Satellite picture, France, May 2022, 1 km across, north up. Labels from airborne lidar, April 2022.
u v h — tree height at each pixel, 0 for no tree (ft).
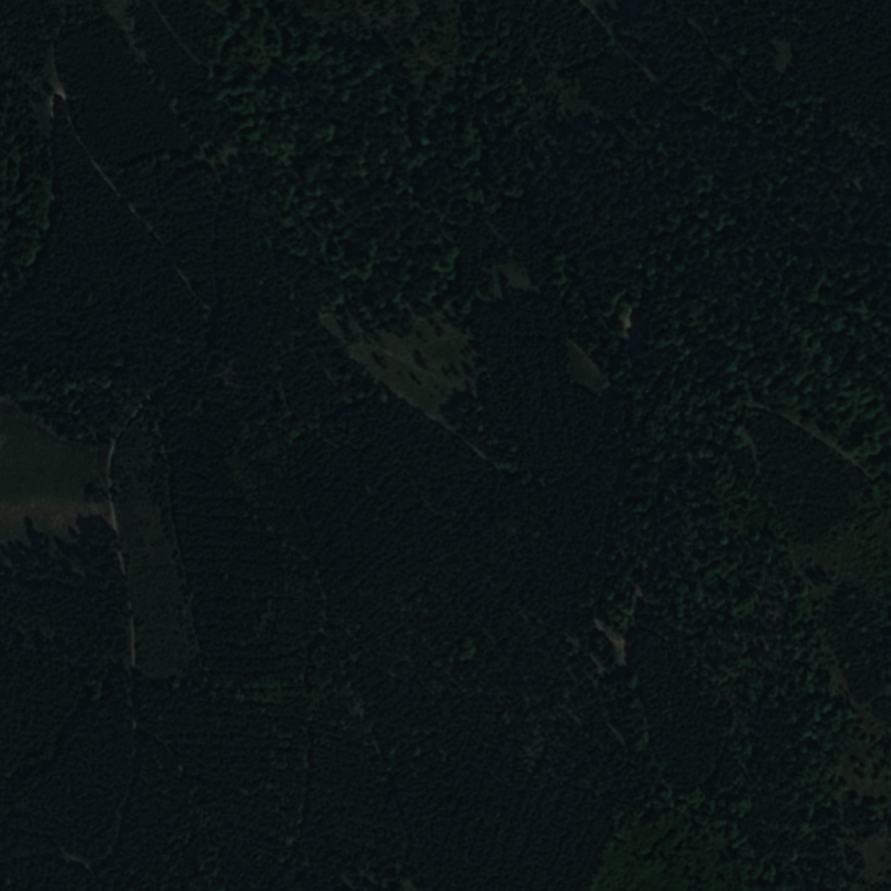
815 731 70
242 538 54
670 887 27
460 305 74
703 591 24
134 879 86
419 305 113
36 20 29
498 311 61
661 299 67
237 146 26
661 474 61
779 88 73
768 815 68
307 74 134
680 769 53
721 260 79
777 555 60
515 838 54
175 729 70
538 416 69
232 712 57
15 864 80
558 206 112
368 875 47
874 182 142
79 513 0
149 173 80
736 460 46
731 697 20
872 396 85
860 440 95
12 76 31
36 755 77
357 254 116
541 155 115
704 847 20
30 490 0
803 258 111
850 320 85
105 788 72
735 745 37
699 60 120
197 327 99
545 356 73
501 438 59
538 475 73
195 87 48
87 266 97
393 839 65
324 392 33
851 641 29
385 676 63
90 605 121
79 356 96
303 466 52
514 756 39
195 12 52
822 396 100
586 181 103
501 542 58
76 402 98
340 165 137
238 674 55
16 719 52
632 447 60
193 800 60
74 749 75
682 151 106
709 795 47
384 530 61
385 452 56
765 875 58
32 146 53
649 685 52
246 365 89
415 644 62
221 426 46
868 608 25
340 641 62
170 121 46
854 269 80
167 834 81
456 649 61
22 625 115
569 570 85
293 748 50
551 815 58
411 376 0
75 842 85
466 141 95
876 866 0
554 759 60
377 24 32
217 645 59
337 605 67
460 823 48
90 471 0
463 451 73
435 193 117
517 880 64
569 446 65
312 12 18
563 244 107
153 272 88
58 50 45
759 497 33
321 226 117
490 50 62
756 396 106
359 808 59
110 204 89
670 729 56
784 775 58
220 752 72
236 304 80
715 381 65
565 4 40
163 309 97
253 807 74
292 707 44
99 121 49
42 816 88
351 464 65
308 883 51
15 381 96
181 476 52
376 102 113
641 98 23
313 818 61
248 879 63
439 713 60
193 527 54
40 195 92
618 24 88
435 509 69
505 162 146
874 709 22
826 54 71
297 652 58
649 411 59
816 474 24
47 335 89
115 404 101
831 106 76
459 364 0
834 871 60
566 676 72
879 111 73
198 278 76
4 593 112
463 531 75
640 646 52
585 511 73
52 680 47
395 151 114
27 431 0
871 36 66
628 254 93
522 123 37
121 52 41
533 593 72
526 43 36
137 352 94
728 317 105
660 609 54
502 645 86
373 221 120
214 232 80
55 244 91
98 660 98
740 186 122
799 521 30
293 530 56
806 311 95
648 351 92
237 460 39
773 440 32
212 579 54
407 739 76
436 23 52
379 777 60
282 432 66
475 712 58
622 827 45
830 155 123
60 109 58
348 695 44
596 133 105
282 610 56
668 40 112
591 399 74
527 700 65
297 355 32
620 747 59
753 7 75
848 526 24
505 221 82
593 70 64
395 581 60
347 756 66
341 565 62
